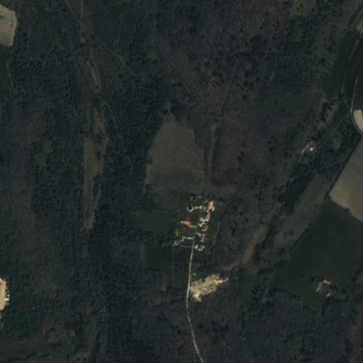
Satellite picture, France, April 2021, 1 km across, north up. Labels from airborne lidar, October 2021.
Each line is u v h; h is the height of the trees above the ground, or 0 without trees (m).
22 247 21
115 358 11
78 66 6
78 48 18
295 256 0
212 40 14
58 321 20
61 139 7
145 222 0
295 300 21
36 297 13
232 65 22
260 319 12
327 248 0
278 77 11
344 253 0
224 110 10
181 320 17
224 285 13
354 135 13
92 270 14
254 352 17
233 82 14
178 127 0
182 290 14
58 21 18
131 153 11
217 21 18
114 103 12
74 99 13
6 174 19
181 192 0
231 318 18
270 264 11
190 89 14
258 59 11
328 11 12
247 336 18
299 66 14
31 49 6
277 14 12
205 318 19
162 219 0
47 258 16
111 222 19
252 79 22
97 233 16
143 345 18
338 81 0
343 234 0
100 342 22
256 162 14
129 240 9
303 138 12
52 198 13
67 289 15
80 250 15
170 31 13
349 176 0
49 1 7
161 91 17
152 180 0
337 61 0
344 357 18
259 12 9
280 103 18
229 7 16
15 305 16
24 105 10
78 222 6
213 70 17
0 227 25
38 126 14
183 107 15
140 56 10
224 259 25
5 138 20
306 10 0
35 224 18
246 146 13
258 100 13
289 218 0
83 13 0
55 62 6
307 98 14
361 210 0
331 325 18
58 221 9
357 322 15
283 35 13
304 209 0
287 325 16
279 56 14
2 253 24
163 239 8
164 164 0
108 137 6
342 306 15
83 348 23
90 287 15
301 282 0
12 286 23
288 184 11
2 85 0
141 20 10
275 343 21
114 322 14
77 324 17
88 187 0
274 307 16
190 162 0
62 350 19
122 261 24
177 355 7
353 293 20
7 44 0
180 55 19
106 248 26
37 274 23
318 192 0
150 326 17
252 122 11
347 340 16
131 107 12
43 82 9
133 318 8
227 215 13
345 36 0
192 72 17
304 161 7
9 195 21
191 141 0
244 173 10
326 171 11
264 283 13
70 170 7
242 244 14
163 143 0
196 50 15
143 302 16
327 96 0
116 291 22
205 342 18
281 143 7
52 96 9
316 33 14
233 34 12
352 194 0
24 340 0
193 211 0
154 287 20
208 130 20
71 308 11
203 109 17
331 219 0
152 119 14
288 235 0
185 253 0
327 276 0
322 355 12
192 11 17
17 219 18
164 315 18
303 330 19
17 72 14
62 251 9
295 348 23
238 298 21
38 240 15
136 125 8
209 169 16
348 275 0
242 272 13
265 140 11
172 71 15
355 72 0
